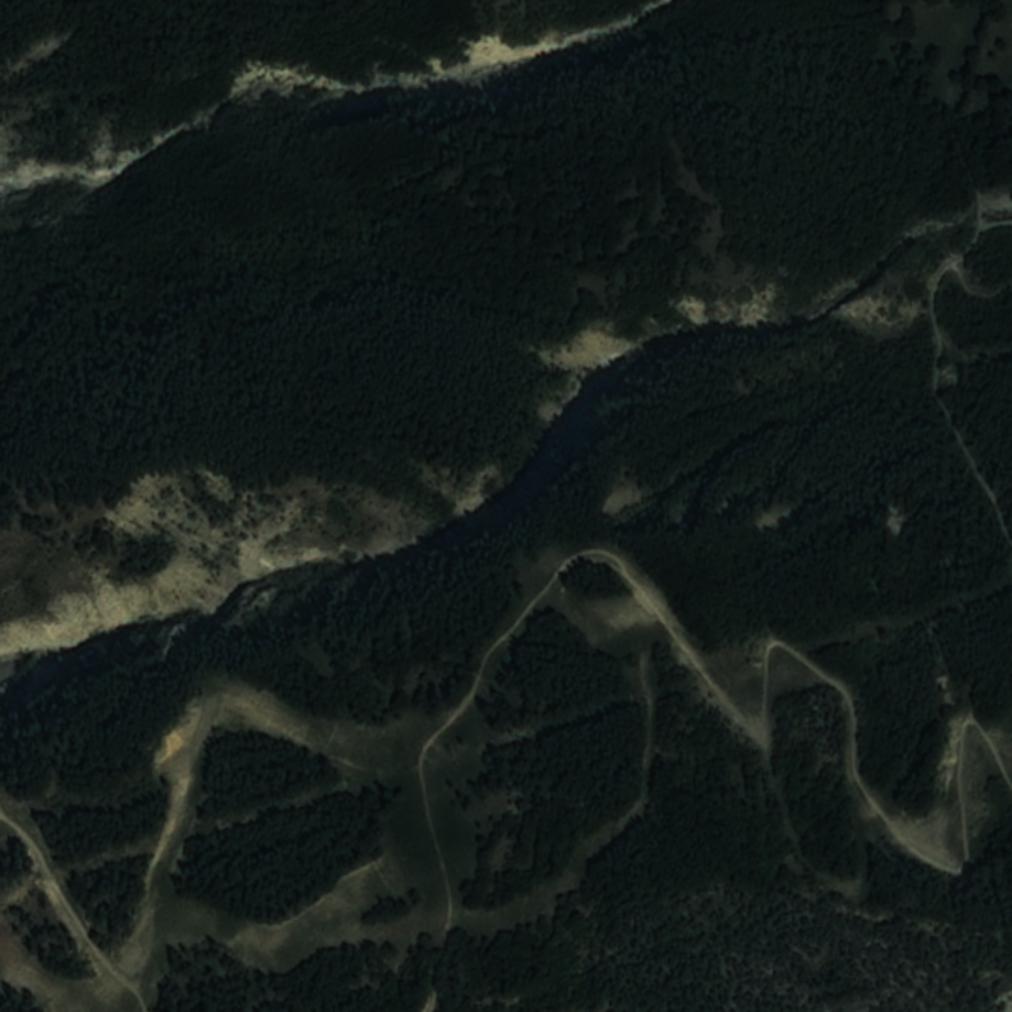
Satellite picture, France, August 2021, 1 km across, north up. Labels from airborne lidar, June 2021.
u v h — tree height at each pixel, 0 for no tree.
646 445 25
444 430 16
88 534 10
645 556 18
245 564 0
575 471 22
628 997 18
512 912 0
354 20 8
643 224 12
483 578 24
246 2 11
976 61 13
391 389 26
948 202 9
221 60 16
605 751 25
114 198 6
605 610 0
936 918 9
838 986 18
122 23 20
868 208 13
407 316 32
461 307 31
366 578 10
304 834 10
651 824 13
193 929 0
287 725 0
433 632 10
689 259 12
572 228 15
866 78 23
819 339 15
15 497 21
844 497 12
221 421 30
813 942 18
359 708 12
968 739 0
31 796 20
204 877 24
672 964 26
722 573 13
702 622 16
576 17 9
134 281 19
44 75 16
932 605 7
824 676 0
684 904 13
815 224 13
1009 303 10
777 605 20
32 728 21
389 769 0
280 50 9
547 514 27
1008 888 22
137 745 18
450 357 32
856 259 22
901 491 17
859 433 22
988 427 17
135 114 7
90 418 26
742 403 15
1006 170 9
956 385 7
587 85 30
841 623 11
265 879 12
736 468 26
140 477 10
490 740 0
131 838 8
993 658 19
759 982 14
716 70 18
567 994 10
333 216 11
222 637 14
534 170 18
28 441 31
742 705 0
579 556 0
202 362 17
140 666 22
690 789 9
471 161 19
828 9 9
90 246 9
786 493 12
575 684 17
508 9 7
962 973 19
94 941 16
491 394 26
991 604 10
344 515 6
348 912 0
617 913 13
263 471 24
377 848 8
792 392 11
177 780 0
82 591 0
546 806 23
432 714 9
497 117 11
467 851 0
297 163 7
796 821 13
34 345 31
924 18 0
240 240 10
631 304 7
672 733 6
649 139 18
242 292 30
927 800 18
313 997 23
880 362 10
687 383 23
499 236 15
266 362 27
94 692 19
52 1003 0
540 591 0
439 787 0
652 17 12
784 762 10
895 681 19
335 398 29
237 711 0
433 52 8
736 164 13
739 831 14
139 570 12
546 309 17
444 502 7
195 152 8
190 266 15
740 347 23
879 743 18
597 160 13
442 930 0
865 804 0
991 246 8
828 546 18
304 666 10
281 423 26
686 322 7
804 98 14
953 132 16
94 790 21
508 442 15
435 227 24
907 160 13
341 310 33
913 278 7
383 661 14
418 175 11
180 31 19
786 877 16
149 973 0
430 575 15
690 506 6
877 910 9
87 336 28
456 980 16
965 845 0
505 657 0
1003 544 19
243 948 0
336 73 6
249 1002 16
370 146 10
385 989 11
